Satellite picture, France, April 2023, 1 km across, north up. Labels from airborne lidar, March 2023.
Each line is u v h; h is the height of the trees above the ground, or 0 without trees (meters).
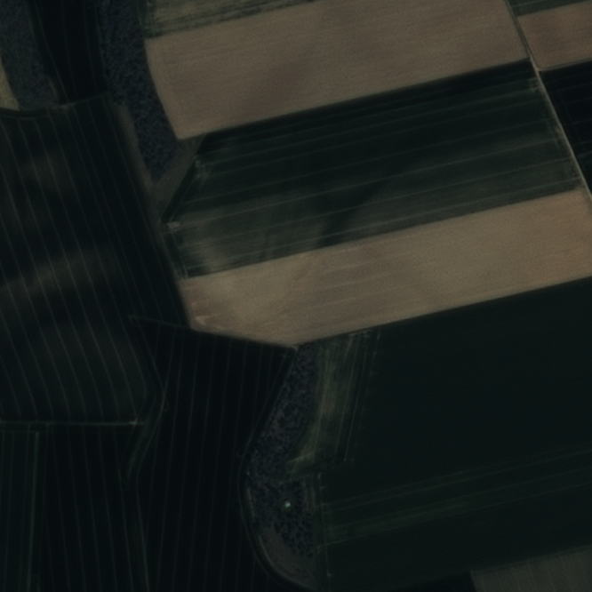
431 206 0
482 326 0
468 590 0
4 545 0
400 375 0
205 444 0
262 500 10
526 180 0
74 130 0
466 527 0
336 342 0
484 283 0
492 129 0
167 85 0
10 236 0
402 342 0
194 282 0
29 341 0
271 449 12
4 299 0
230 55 0
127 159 0
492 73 0
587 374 0
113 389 0
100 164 0
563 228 0
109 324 0
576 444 0
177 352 0
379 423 0
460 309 0
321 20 0
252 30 0
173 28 0
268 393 0
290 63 0
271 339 0
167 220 0
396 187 0
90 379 0
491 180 0
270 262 0
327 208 0
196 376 0
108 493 0
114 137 0
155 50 0
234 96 0
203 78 0
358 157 0
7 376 0
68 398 0
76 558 0
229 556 0
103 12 14
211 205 0
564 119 0
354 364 0
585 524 0
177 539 0
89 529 0
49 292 0
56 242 0
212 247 0
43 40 0
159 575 0
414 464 0
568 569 0
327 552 0
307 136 0
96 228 0
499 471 0
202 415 0
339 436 0
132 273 0
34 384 0
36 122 0
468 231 0
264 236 0
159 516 0
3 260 0
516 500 0
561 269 0
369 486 0
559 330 0
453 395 0
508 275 0
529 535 0
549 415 0
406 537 0
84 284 0
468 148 0
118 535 0
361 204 0
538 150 0
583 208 0
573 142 0
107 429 0
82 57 0
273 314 0
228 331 0
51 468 0
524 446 0
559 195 0
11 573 0
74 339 0
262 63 0
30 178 0
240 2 0
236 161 0
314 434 0
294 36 0
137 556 0
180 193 0
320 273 0
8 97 0
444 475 0
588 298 0
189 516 0
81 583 0
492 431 0
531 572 0
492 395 0
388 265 0
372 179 0
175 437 0
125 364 0
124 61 15
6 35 16
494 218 0
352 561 0
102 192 0
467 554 0
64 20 0
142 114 11
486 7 0
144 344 0
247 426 0
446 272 0
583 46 0
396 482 0
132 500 0
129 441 0
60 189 0
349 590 0
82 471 0
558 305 0
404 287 0
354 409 0
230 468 0
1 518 0
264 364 0
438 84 0
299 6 0
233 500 0
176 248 0
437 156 0
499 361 0
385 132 0
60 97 0
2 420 0
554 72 0
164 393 0
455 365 0
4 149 0
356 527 0
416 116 0
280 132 0
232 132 0
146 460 0
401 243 0
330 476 0
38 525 0
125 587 0
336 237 0
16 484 0
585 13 0
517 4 0
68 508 0
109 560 0
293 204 0
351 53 0
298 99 0
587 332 0
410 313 0
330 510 0
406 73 0
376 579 0
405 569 0
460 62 0
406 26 0
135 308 0
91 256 0
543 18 0
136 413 0
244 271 0
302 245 0
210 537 0
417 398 0
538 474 0
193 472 0
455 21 0
